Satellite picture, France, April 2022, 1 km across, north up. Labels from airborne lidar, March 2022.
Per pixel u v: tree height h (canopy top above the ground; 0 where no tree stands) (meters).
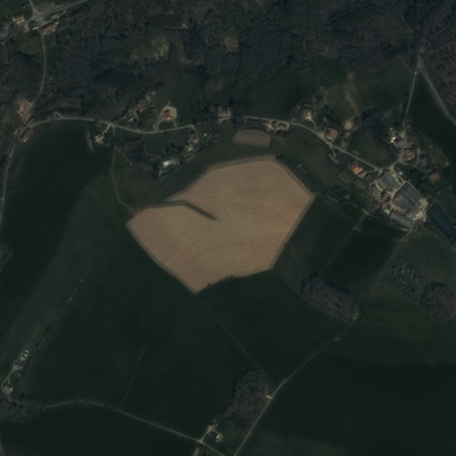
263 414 0
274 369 0
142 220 0
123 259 0
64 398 0
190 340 0
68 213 0
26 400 21
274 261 0
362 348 0
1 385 0
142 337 0
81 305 0
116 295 0
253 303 0
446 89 20
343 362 0
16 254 0
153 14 0
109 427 0
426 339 0
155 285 0
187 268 0
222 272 0
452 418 0
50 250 0
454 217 0
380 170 0
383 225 0
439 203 0
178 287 0
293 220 0
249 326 0
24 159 0
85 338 0
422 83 0
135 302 0
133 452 0
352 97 0
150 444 0
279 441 0
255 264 0
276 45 24
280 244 0
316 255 0
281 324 0
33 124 0
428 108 0
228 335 0
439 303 28
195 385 0
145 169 25
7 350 0
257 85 14
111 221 0
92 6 19
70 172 0
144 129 9
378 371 0
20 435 0
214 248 0
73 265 0
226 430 0
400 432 0
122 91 25
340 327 0
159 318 0
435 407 0
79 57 23
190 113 0
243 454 0
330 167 0
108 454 0
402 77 0
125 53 0
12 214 0
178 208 0
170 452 0
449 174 0
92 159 0
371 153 0
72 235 0
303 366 0
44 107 9
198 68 17
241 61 22
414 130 10
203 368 0
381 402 0
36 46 0
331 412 0
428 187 18
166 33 0
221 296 0
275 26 16
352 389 0
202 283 0
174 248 0
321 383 0
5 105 0
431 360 0
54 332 0
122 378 0
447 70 22
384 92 0
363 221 0
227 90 0
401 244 0
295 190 0
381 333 0
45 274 0
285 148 0
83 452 0
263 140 0
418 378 0
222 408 0
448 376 0
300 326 0
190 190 0
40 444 0
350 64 25
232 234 0
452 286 0
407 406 0
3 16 0
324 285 30
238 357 0
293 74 0
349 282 0
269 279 0
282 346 0
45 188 0
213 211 0
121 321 0
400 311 0
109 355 0
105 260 0
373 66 28
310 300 21
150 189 0
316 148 0
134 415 0
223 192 0
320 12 19
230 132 0
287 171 0
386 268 0
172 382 0
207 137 0
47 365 0
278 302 0
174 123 0
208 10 0
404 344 0
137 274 0
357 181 0
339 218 0
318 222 0
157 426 0
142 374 0
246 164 0
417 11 20
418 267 0
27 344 0
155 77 18
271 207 0
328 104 0
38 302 0
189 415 0
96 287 0
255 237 0
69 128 0
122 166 0
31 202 0
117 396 0
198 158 0
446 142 0
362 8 25
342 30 22
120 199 0
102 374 0
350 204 0
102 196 0
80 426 0
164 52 0
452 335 0
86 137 0
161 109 0
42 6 0
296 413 0
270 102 0
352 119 0
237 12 14
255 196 0
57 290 0
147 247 0
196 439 0
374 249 0
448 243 0
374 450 0
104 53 18
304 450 0
